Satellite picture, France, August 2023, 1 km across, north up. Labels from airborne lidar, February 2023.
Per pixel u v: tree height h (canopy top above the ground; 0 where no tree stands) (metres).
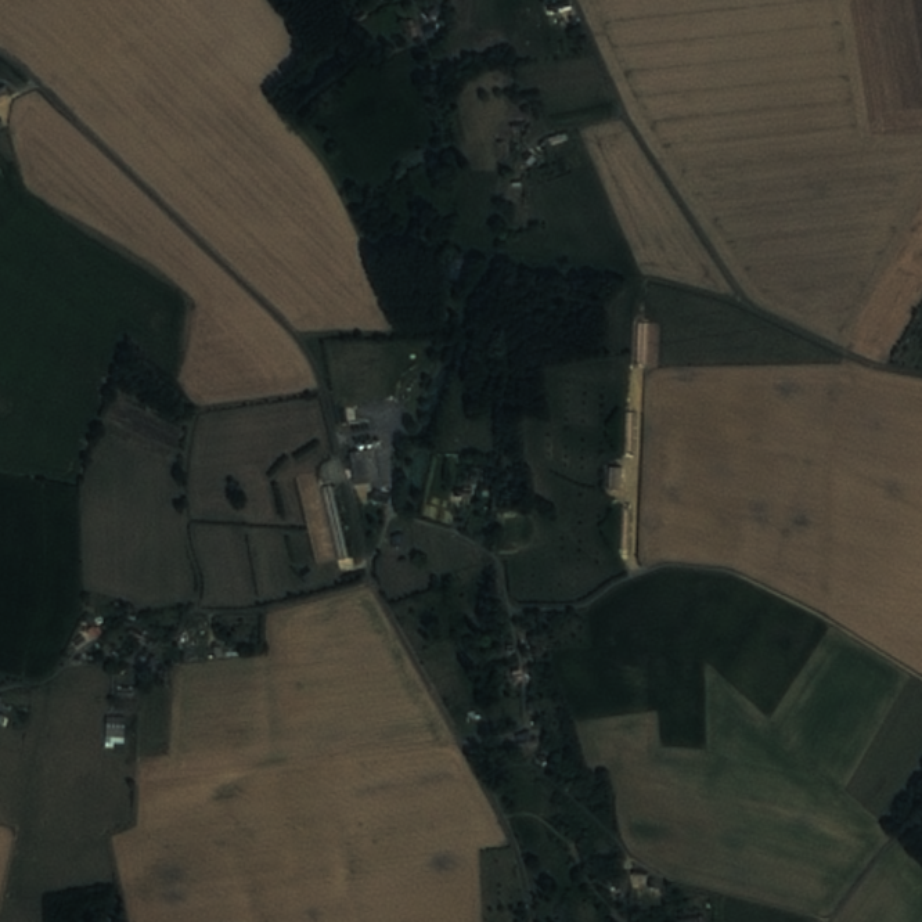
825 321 0
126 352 17
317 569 0
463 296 8
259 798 0
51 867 0
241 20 0
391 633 0
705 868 0
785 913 0
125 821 0
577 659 0
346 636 0
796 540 0
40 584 0
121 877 0
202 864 0
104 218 0
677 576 0
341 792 0
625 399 0
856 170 0
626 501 0
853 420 0
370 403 0
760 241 0
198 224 0
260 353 0
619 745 0
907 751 0
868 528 0
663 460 0
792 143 0
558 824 9
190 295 0
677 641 0
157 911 0
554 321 16
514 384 7
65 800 0
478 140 0
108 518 0
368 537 8
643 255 0
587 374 0
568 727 9
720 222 0
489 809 0
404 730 0
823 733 0
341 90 8
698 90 0
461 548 0
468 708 0
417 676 0
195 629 0
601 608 0
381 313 0
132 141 0
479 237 0
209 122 0
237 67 0
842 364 0
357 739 0
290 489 0
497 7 0
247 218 0
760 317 0
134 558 0
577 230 0
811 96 0
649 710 0
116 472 0
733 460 0
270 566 0
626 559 0
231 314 0
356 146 0
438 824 0
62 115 0
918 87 0
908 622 0
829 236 0
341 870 0
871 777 0
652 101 0
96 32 0
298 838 0
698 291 0
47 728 0
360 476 0
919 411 0
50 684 0
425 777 0
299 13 28
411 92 0
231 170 0
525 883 0
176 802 0
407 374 0
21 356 0
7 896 0
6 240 0
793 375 0
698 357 0
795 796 0
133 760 0
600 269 0
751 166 0
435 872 0
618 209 0
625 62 0
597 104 0
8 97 0
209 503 0
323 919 0
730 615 0
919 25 0
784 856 0
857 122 0
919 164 0
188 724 0
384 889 0
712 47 0
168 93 0
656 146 0
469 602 0
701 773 0
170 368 0
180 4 0
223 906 0
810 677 0
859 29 0
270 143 0
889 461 0
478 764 18
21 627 0
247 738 0
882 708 0
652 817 0
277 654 0
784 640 0
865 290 0
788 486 0
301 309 0
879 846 0
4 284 0
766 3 0
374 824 0
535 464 0
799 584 0
